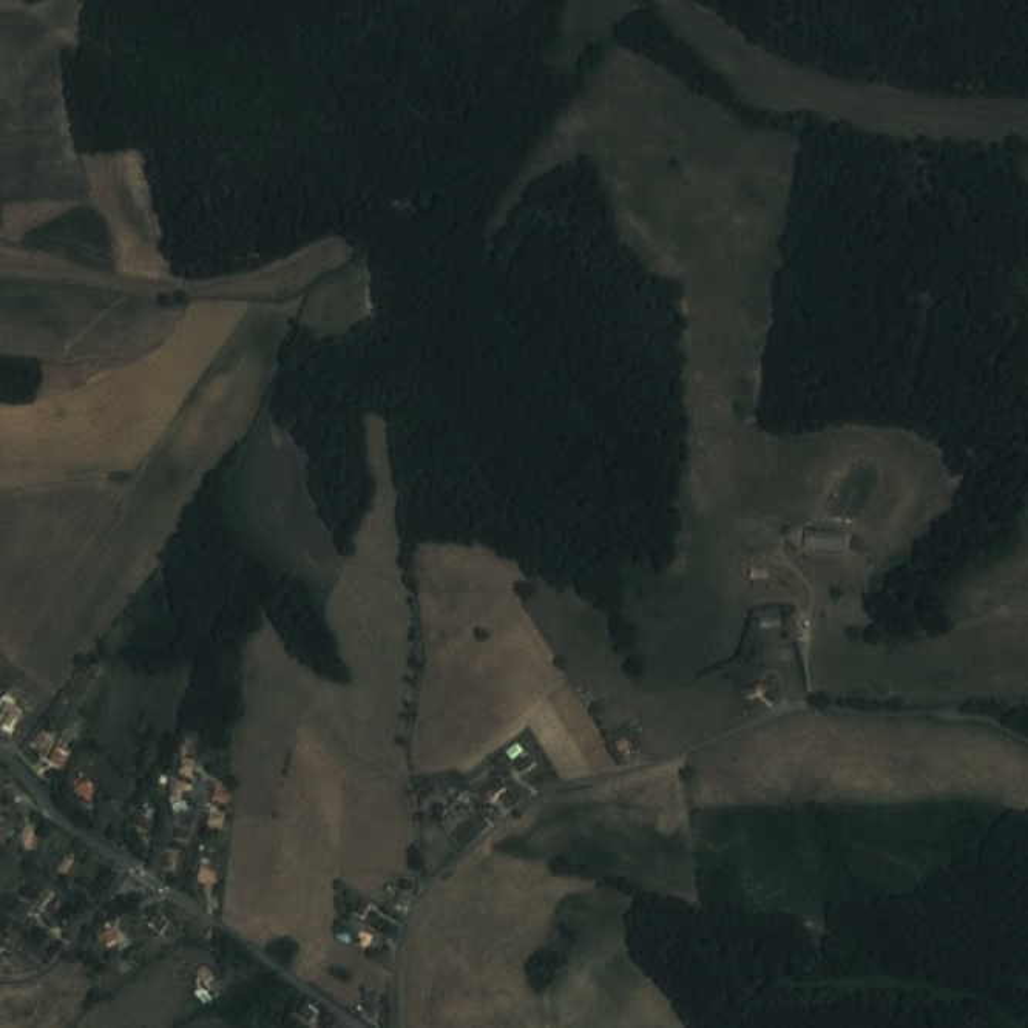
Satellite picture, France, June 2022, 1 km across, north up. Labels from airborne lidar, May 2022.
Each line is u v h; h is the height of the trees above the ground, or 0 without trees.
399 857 0
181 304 18
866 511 0
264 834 0
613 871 0
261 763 0
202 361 0
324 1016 7
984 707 11
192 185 19
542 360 22
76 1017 0
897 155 23
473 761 0
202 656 24
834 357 26
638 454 23
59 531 0
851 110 0
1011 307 17
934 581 23
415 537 13
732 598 0
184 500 0
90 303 0
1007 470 25
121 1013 0
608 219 20
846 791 0
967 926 26
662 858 0
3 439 0
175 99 15
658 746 0
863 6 12
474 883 0
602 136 0
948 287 18
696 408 0
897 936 26
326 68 15
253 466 0
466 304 26
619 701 0
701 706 0
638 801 0
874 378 21
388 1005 7
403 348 23
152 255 0
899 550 0
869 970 9
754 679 0
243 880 0
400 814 0
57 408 0
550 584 16
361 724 0
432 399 18
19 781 7
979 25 11
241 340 0
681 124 0
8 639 0
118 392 0
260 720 0
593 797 0
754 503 0
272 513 0
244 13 22
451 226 23
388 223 27
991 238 26
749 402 0
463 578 0
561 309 23
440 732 0
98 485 0
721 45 0
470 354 19
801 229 26
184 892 6
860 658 0
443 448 18
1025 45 13
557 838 0
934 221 24
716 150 0
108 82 16
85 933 12
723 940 29
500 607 0
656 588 0
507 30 8
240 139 15
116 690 0
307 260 0
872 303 16
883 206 25
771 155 0
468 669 0
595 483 30
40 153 0
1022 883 19
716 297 0
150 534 0
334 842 0
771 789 0
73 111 16
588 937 0
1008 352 23
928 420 23
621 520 25
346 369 21
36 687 0
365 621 0
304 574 0
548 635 0
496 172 28
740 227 0
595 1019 0
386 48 22
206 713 19
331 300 0
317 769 0
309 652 18
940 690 0
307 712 0
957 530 19
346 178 16
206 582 25
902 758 0
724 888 10
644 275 12
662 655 0
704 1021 18
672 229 0
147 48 14
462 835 0
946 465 16
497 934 0
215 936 12
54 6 0
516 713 0
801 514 0
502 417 23
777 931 15
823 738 0
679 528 15
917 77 8
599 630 0
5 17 0
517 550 22
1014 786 0
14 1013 0
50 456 0
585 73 9
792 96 0
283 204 16
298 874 0
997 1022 19
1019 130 0
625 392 24
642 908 16
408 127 20
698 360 0
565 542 23
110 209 0
